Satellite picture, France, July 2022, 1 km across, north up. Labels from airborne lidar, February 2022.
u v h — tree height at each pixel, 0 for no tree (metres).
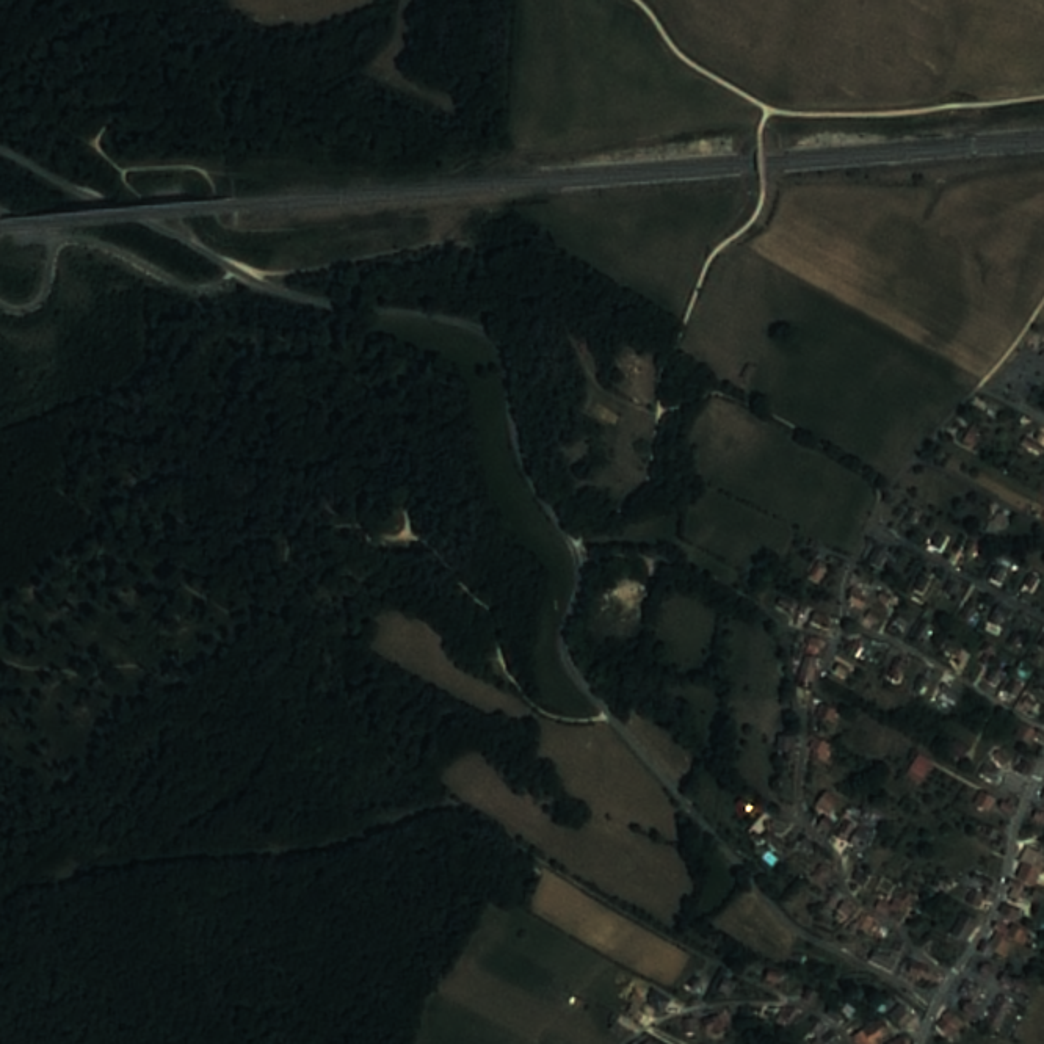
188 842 18
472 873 17
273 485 23
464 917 15
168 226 0
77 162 20
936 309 0
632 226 0
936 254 0
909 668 0
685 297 0
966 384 0
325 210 0
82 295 0
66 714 22
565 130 0
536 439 16
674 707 20
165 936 22
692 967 0
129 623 29
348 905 21
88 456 24
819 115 0
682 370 14
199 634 0
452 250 18
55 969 13
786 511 0
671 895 0
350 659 21
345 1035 7
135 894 21
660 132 0
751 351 0
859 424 0
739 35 0
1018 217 0
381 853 22
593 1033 0
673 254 0
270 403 16
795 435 11
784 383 0
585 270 14
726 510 0
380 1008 20
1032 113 0
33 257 0
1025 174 0
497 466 0
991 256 0
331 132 22
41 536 8
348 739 20
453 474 22
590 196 0
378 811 15
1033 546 14
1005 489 0
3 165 16
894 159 0
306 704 13
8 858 20
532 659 18
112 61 22
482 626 17
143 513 29
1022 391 0
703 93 0
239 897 17
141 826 18
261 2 0
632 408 0
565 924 0
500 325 19
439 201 0
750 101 0
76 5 28
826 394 0
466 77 20
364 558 17
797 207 0
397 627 0
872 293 0
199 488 25
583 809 8
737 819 5
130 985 20
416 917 12
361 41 15
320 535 24
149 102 23
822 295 0
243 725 18
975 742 0
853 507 0
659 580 13
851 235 0
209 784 17
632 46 0
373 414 18
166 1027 22
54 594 24
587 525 16
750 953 21
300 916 22
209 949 19
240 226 0
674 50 0
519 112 0
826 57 0
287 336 26
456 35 23
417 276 20
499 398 0
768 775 0
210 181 0
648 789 0
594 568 13
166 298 14
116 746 20
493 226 6
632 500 14
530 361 17
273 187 0
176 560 30
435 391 24
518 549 16
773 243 0
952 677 0
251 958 21
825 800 0
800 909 0
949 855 0
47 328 0
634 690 22
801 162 0
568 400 9
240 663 16
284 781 20
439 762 22
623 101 0
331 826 25
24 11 21
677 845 6
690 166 0
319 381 24
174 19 26
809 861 0
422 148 19
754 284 0
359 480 20
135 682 0
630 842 0
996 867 0
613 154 0
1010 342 0
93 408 20
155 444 25
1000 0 0
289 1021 22
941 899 9
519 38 0
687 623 0
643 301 13
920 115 0
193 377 29
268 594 18
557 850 0
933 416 0
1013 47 0
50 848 13
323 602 10
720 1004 0
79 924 19
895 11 0
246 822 19
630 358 0
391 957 14
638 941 0
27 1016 11
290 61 26
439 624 18
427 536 30
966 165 0
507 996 0
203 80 27
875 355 0
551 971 0
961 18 0
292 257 0
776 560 11
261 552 26
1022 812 0
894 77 0
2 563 11
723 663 19
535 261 21
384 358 28
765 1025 7
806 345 0
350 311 25
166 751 18
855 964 0
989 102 0
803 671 0
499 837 33
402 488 24
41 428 17
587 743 0
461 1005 0
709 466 0
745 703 0
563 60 0
